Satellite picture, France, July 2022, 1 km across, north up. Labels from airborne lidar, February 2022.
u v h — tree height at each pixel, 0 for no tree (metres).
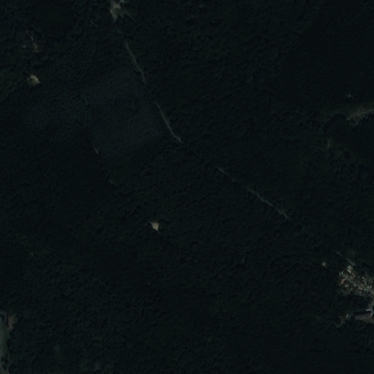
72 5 15
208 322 24
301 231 22
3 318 23
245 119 30
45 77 20
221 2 20
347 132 18
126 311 31
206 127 25
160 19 25
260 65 21
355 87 17
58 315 18
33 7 15
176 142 8
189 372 28
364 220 26
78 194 22
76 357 24
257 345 24
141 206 20
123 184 22
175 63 25
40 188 21
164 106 24
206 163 11
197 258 23
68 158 23
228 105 21
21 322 22
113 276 24
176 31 26
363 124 18
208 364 18
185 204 24
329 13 18
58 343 30
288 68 19
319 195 26
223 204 24
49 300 29
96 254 22
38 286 17
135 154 17
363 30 14
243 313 24
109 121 20
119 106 22
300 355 20
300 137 29
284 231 24
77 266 31
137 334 26
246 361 19
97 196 23
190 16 21
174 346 22
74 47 21
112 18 14
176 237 22
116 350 28
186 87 28
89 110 17
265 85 31
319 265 16
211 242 25
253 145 26
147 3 24
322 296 25
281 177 27
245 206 23
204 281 24
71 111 22
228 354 26
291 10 27
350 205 19
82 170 23
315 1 27
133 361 25
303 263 24
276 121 28
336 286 20
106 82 15
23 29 32
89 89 16
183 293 20
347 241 17
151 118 17
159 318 31
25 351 32
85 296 21
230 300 25
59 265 25
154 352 30
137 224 22
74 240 19
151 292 13
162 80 23
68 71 25
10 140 24
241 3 21
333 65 16
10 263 14
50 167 21
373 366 21
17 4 27
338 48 17
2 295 19
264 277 28
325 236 24
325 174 23
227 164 23
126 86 14
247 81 33
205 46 24
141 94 16
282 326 22
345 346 22
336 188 24
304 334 22
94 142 11
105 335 25
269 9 24
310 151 30
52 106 22
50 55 21
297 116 26
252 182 24
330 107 17
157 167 25
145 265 17
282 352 23
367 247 26
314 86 19
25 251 13
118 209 25
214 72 26
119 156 16
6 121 21
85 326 27
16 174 20
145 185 24
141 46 23
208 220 25
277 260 25
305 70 18
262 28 16
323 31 17
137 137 16
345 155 8
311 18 29
